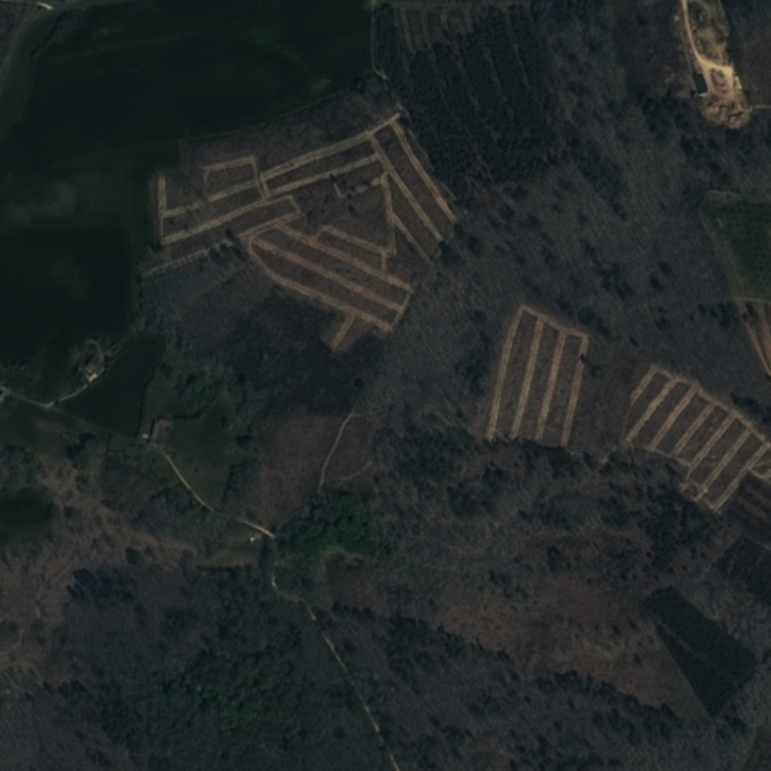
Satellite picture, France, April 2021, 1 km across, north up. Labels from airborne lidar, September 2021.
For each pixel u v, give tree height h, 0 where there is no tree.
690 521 15
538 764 17
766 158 20
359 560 19
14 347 0
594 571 6
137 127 0
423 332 13
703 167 32
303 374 7
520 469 14
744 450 0
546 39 15
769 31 13
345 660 24
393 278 0
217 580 18
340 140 0
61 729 21
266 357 20
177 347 11
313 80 0
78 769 18
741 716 22
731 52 11
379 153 0
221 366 15
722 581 14
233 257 15
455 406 17
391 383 17
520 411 0
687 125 24
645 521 13
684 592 9
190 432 0
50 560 17
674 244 13
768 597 8
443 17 16
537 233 22
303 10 0
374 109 12
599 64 23
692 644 10
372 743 16
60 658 6
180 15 0
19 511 0
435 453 19
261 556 0
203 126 0
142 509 8
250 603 22
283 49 0
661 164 16
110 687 19
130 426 0
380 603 6
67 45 0
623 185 27
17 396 0
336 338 0
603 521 13
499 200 14
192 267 14
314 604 21
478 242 13
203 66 0
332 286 0
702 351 12
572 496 12
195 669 18
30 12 20
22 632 21
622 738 26
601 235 18
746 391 11
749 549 6
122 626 16
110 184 0
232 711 21
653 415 0
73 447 0
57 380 0
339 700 23
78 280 0
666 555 15
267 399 17
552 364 0
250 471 15
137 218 0
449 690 14
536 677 13
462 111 13
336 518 25
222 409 0
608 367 8
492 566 9
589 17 25
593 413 8
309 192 7
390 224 0
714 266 12
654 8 16
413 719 16
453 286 16
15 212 0
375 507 21
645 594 6
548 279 23
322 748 17
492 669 12
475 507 22
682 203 9
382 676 19
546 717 10
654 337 10
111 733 26
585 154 27
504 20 13
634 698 6
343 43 0
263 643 17
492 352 18
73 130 0
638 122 22
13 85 0
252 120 0
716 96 0
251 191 0
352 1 0
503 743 10
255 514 13
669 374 0
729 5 16
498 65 13
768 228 7
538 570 11
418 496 16
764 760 6
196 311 10
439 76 10
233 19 0
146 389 7
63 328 0
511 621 0
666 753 12
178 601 18
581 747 23
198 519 18
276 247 0
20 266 0
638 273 17
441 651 25
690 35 0
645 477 10
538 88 13
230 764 20
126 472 8
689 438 0
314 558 21
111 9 0
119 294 0
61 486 18
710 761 17
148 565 19
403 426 18
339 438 0
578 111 19
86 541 29
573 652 15
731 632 22
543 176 21
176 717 19
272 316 8
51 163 0
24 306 0
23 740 19
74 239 0
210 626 19
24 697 12
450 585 7
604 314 17
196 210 16
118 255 0
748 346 12
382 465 22
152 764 18
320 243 0
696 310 11
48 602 0
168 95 0
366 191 15
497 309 16
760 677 17
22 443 0
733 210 8
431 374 15
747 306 0
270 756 17
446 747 18
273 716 20
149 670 19
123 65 0
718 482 0
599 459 9
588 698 28
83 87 0
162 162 0
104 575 17
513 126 15
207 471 0
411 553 12
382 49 9
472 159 11
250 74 0
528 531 19
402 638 26
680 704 0
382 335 20
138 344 0
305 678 21
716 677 13
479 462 11
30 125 0
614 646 12
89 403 0
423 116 11
